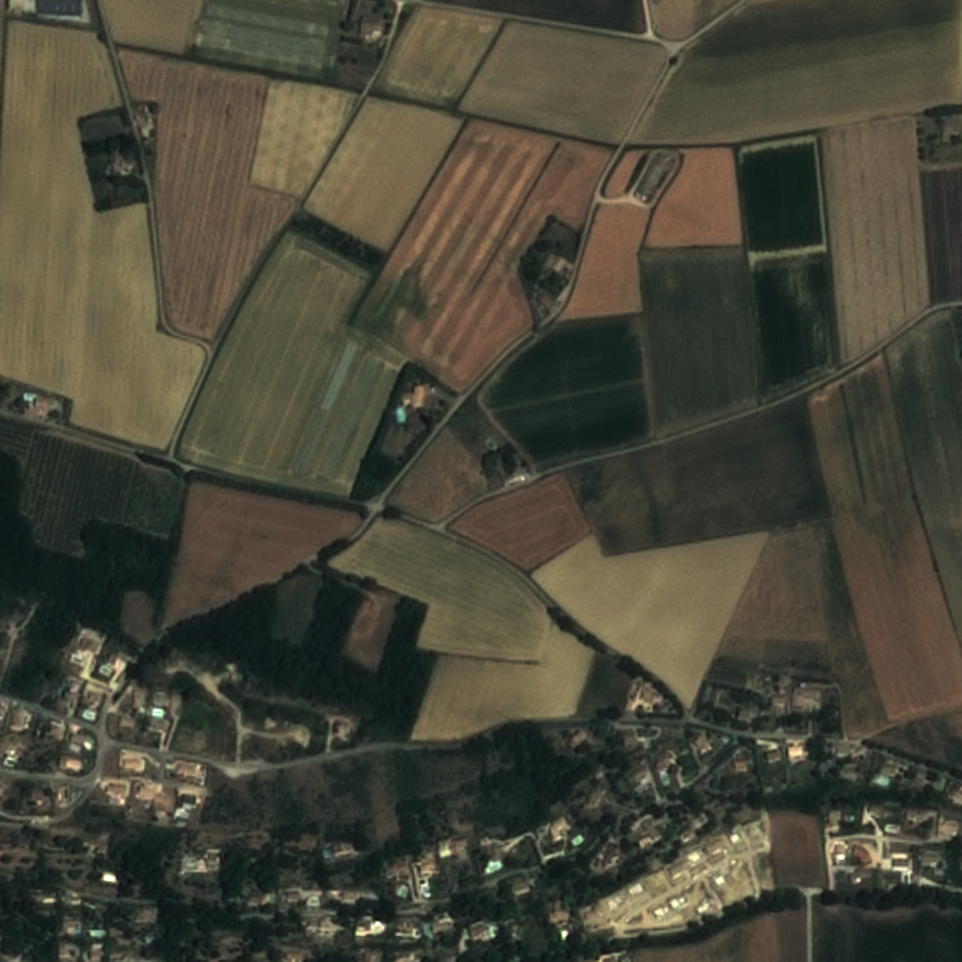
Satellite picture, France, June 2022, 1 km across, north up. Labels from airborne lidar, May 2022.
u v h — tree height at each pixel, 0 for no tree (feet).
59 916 28
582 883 38
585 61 0
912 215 0
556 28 0
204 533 0
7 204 0
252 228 0
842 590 0
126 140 65
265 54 0
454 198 0
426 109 0
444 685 0
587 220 0
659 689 35
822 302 0
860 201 0
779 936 0
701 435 0
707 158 0
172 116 0
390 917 42
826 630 0
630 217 0
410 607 20
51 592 27
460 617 0
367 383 0
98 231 0
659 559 0
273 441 0
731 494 0
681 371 0
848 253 0
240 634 44
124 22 0
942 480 0
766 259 0
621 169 0
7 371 0
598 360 0
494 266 0
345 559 0
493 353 0
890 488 0
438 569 0
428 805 22
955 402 0
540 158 0
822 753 32
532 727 47
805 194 0
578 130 0
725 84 0
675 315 0
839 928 0
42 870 41
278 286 0
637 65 0
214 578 0
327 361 0
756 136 0
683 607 0
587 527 0
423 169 0
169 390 0
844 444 0
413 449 34
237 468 0
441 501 0
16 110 0
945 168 0
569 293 0
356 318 0
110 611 46
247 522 0
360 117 0
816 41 0
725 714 32
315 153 0
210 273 0
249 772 0
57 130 0
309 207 0
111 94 0
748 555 0
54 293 0
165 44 0
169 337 0
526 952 60
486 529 0
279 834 31
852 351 0
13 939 42
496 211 0
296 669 34
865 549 0
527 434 0
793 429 0
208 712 0
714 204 0
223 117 0
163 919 68
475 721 0
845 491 0
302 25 0
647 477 0
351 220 0
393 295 0
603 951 42
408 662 28
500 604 0
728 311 0
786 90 0
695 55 0
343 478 0
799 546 0
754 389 0
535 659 0
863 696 0
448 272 0
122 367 0
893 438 0
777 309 0
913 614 0
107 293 0
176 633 40
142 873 78
